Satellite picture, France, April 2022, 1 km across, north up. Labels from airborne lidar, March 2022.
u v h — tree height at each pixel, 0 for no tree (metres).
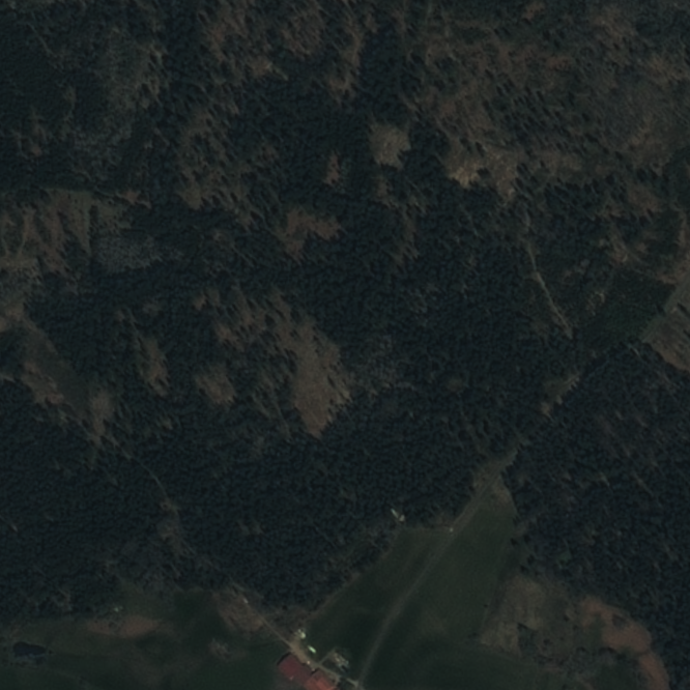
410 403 30
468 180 0
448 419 31
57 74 10
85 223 0
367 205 25
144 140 11
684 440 27
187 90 25
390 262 33
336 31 29
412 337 28
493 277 30
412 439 29
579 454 32
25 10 20
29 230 0
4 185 19
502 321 26
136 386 27
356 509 20
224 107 25
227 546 26
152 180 8
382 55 38
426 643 0
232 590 24
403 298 30
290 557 27
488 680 0
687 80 0
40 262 0
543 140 23
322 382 0
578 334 16
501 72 19
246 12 20
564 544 27
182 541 21
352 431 22
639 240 24
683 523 28
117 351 27
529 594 0
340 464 26
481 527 0
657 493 29
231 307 34
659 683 0
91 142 27
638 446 28
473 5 8
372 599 0
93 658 0
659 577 28
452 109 0
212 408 23
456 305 28
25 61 10
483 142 0
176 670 0
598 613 0
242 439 21
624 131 22
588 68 25
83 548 27
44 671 10
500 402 22
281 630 0
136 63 12
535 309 7
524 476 27
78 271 10
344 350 13
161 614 0
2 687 0
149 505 28
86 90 17
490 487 0
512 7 12
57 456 26
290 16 20
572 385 0
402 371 28
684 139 0
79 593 12
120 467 29
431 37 0
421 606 0
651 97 26
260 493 24
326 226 0
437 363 30
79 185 14
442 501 26
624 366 27
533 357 34
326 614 0
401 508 26
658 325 0
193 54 37
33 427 27
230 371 16
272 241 23
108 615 8
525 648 12
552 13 25
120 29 18
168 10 31
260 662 0
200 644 0
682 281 0
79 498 27
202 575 18
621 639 0
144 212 17
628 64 0
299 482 27
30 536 31
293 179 25
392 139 0
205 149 30
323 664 0
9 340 8
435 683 0
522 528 24
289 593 27
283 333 0
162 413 26
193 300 24
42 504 28
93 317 27
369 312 29
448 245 29
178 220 21
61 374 0
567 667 12
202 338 18
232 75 27
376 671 0
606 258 26
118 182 10
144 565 26
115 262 15
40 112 10
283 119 27
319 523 30
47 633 0
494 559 0
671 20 20
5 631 14
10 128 10
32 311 18
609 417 22
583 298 6
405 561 0
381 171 24
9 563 25
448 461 26
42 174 14
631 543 27
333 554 28
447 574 0
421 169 28
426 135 26
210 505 28
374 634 0
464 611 0
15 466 27
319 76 26
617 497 23
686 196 7
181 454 26
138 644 0
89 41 8
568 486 31
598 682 0
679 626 25
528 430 27
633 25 23
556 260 8
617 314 8
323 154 27
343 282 31
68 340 32
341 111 21
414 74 25
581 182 0
